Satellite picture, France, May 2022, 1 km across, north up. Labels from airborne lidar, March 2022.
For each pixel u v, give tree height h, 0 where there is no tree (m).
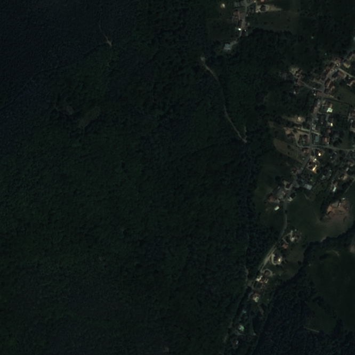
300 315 27
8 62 16
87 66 19
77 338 13
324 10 0
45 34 15
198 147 19
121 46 11
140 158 27
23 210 18
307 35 0
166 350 15
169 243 30
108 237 27
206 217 27
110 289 16
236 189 22
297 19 0
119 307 15
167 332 18
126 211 22
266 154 20
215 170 26
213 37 0
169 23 18
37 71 17
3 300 15
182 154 21
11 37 19
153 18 14
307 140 0
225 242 28
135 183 26
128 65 19
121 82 14
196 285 25
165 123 21
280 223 0
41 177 20
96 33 8
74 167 23
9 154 21
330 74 0
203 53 26
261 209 0
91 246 18
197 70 26
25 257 19
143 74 21
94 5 13
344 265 0
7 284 20
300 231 0
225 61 12
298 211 0
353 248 0
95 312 14
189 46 26
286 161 0
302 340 14
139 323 18
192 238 30
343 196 18
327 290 0
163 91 13
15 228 13
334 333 0
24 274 18
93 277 15
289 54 0
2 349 19
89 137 21
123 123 21
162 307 18
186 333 28
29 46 16
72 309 13
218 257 28
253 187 19
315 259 0
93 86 19
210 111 22
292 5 0
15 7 13
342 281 0
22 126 24
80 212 21
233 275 25
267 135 13
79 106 19
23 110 19
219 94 21
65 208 23
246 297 20
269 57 26
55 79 18
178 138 20
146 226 22
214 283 30
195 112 18
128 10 10
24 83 16
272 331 23
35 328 16
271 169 0
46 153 15
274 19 0
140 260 23
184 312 25
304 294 29
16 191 26
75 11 14
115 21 10
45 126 23
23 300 14
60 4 12
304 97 0
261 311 0
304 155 0
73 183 26
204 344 24
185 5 26
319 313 0
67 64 20
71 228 27
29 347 17
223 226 24
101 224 24
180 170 27
